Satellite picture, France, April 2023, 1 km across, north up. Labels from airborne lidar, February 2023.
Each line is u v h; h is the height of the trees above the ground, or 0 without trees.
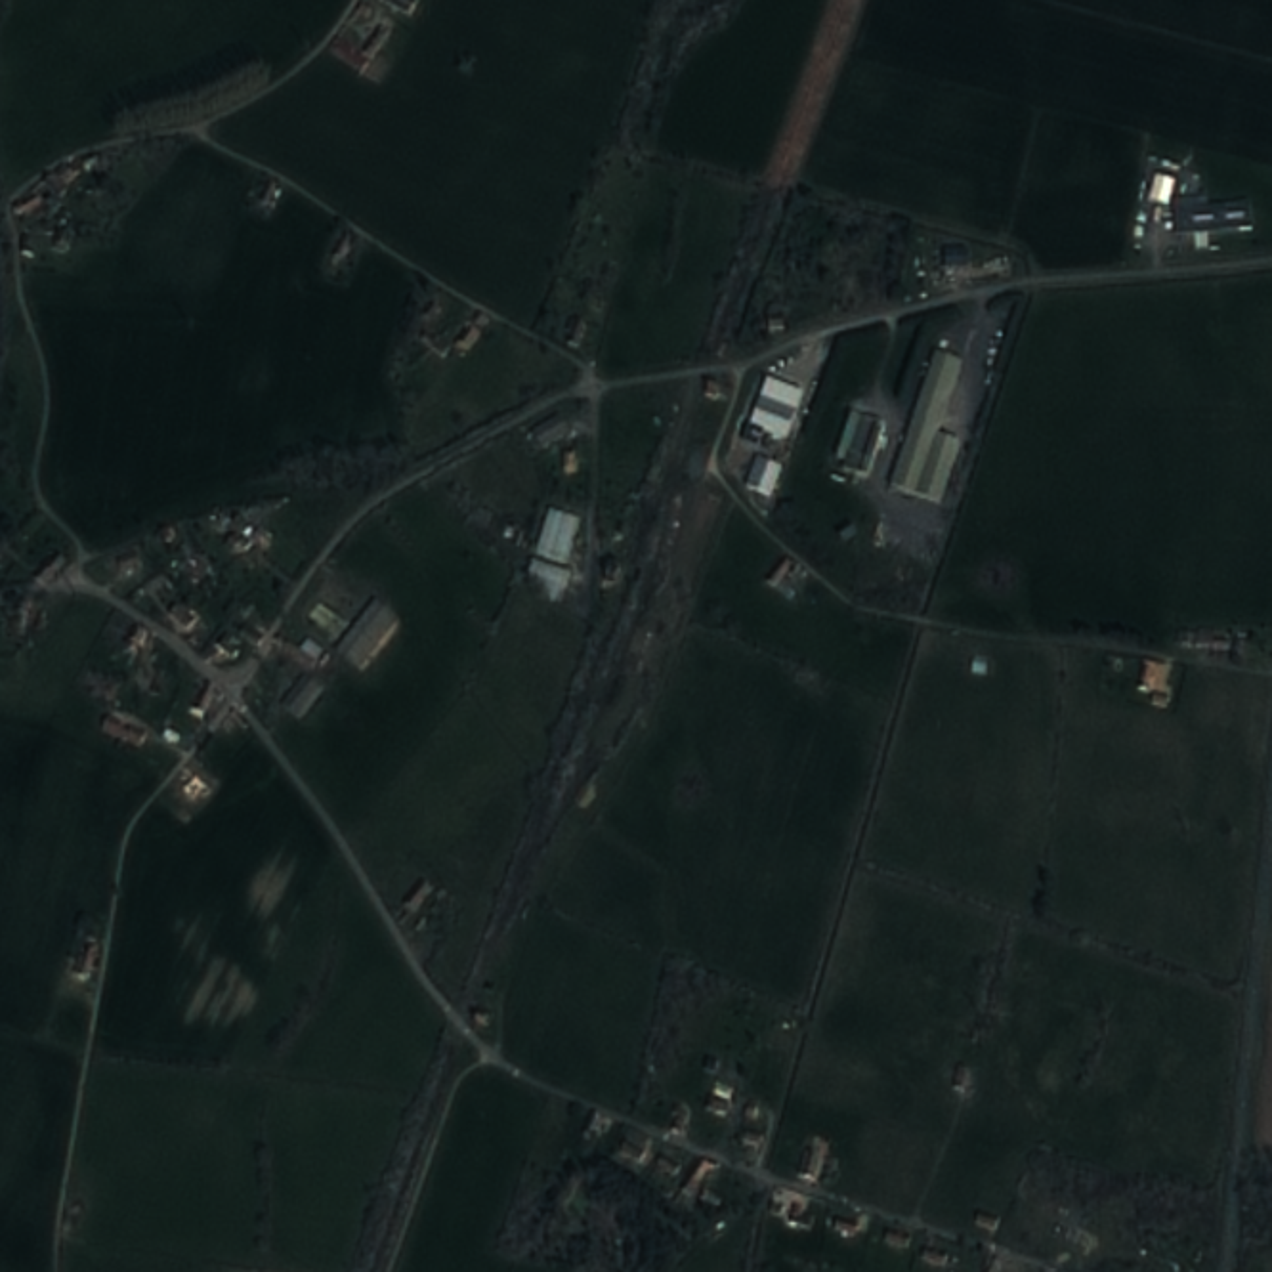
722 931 0
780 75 0
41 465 0
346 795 0
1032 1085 0
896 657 0
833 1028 0
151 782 0
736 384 11
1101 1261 0
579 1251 10
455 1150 0
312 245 0
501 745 0
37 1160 0
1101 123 0
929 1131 0
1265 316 0
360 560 0
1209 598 0
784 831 0
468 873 0
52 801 0
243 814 0
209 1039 0
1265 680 0
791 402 0
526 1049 0
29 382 0
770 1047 0
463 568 0
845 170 0
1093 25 0
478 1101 0
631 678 0
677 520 0
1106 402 0
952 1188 0
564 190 0
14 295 0
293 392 0
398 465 19
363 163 0
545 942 0
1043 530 0
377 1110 0
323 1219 0
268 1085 0
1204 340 0
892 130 0
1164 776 0
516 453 0
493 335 0
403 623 0
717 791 0
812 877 0
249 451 0
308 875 0
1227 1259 0
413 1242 0
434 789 0
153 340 0
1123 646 10
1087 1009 0
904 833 0
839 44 9
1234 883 0
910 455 0
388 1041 0
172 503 0
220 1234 0
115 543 0
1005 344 6
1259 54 0
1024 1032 0
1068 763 0
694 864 0
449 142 0
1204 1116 0
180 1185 0
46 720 0
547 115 0
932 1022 0
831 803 0
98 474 0
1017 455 0
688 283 0
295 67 0
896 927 0
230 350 0
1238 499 0
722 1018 0
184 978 0
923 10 0
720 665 0
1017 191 0
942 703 0
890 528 0
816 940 0
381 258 0
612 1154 6
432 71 0
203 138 0
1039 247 0
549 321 10
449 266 0
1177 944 0
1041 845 0
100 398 0
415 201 0
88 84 0
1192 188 0
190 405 0
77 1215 0
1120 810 0
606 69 0
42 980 0
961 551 0
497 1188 0
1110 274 0
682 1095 0
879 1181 0
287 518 0
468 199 0
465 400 0
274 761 0
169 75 0
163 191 0
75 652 0
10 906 0
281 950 0
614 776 0
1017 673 0
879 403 0
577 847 0
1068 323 0
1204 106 0
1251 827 0
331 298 0
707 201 0
